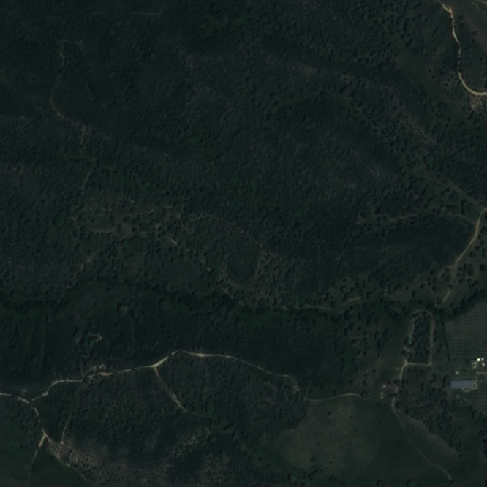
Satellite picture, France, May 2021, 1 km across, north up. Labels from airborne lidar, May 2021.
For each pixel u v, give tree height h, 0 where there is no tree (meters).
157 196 12
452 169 10
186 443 7
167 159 7
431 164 11
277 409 10
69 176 12
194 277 0
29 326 6
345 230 18
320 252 7
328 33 11
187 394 10
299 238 15
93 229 0
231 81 7
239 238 10
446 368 0
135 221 11
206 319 5
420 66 0
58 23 8
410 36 7
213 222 6
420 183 15
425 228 8
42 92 5
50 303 14
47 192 7
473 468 0
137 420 14
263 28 10
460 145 10
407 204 16
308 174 9
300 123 9
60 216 11
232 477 10
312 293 11
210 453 11
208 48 7
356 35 7
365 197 11
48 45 7
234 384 7
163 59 6
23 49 9
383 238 10
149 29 7
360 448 0
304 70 7
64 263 7
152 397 8
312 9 8
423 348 10
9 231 10
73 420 10
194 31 7
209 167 9
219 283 11
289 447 0
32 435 7
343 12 7
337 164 11
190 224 8
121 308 15
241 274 8
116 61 8
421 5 13
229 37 9
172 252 13
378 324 16
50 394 9
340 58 11
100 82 6
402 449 0
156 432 7
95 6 6
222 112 10
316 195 6
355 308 10
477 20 0
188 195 13
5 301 16
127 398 11
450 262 18
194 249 11
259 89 15
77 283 12
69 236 6
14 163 9
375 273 13
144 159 8
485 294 15
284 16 12
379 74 6
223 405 9
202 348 10
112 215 7
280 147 13
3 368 5
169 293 10
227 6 8
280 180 6
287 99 0
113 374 8
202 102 7
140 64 9
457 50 6
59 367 7
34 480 0
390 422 0
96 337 8
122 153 11
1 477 0
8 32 13
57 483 0
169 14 8
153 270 0
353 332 16
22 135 7
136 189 9
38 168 7
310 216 16
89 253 12
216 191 8
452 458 0
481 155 7
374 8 14
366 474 0
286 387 6
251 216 8
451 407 10
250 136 7
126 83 10
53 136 6
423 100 11
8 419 9
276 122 10
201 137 9
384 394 0
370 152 7
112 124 10
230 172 6
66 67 6
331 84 7
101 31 8
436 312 13
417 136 6
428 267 13
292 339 11
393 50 13
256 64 9
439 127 12
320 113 8
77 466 8
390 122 9
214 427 10
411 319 0
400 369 0
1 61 6
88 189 8
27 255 10
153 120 10
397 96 9
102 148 9
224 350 7
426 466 0
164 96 8
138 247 12
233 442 6
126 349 18
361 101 7
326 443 0
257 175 13
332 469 0
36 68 8
